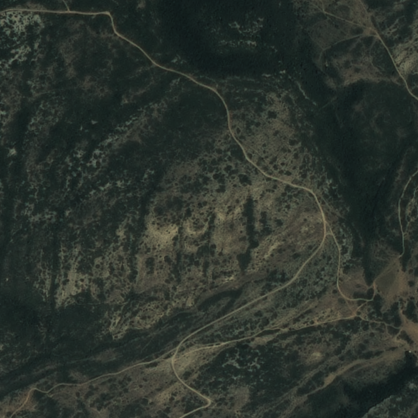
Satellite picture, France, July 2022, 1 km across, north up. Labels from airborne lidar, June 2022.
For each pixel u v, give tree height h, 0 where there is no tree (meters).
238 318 0
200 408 0
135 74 0
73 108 0
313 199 0
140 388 0
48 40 0
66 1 0
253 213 0
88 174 0
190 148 0
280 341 0
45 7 0
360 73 0
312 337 0
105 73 0
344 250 0
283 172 0
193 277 0
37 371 0
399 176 0
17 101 0
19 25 0
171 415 0
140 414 0
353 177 6
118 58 0
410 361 6
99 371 0
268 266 0
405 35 0
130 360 0
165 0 10
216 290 0
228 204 0
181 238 0
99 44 0
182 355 0
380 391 6
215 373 0
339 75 0
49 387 0
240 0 7
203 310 0
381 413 0
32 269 0
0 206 0
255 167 0
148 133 0
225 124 0
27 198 0
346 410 6
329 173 0
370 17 0
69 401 0
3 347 0
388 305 0
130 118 0
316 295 0
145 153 0
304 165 0
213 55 6
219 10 9
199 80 0
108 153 0
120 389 0
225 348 0
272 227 0
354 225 0
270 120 0
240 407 0
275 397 0
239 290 0
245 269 0
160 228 0
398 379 6
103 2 0
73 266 0
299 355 0
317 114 0
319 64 0
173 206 0
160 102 0
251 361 0
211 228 8
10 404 0
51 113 0
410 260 0
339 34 0
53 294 0
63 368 0
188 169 0
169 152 0
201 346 0
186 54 6
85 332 0
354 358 0
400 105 0
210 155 0
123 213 0
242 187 0
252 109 0
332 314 0
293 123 0
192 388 0
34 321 7
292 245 0
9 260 0
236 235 0
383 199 7
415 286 0
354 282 0
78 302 7
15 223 0
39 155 0
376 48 0
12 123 0
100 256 0
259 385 0
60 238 0
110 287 0
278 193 0
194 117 0
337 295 0
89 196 0
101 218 0
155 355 0
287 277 0
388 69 0
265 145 0
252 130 0
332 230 0
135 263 0
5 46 0
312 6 0
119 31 0
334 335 0
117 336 0
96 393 0
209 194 0
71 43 0
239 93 0
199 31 7
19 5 0
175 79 0
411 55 0
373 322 0
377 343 0
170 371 0
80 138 0
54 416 0
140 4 0
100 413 0
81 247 0
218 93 0
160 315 0
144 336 0
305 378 0
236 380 0
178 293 0
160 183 0
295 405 0
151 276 0
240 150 0
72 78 0
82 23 0
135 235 0
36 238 0
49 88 0
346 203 0
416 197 0
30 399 0
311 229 0
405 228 0
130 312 0
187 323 0
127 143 0
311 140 0
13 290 0
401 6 0
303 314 0
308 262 0
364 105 0
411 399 0
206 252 0
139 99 0
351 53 0
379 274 0
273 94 0
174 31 10
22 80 0
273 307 0
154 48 0
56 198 0
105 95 0
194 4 9
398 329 0
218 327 0
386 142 0
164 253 0
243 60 6
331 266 0
